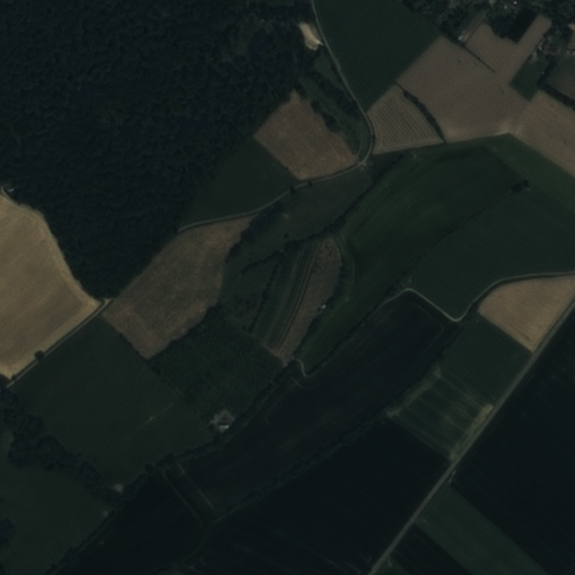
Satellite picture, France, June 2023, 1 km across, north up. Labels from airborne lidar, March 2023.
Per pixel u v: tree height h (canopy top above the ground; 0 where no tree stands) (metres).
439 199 0
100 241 23
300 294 0
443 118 0
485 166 0
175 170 27
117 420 0
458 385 0
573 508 0
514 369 0
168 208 22
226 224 0
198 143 26
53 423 0
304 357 0
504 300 0
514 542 0
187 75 24
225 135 24
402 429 0
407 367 0
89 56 31
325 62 0
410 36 0
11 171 24
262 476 0
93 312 0
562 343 0
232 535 0
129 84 27
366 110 0
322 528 0
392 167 7
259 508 0
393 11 0
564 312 0
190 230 0
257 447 0
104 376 0
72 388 0
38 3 27
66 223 23
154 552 0
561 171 0
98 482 27
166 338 0
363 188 0
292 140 0
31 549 0
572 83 0
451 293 0
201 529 0
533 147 0
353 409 0
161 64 29
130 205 25
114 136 27
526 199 0
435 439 0
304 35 22
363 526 0
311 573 0
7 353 0
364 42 0
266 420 0
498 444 0
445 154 0
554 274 0
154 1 28
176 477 0
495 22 22
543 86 8
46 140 28
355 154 0
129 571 0
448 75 0
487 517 0
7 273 0
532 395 0
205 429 0
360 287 0
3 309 0
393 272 0
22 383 0
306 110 0
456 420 0
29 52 33
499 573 0
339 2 0
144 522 0
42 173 21
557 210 0
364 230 0
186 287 0
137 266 22
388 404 10
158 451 0
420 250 0
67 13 29
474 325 0
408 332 0
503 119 0
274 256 7
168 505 0
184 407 0
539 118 0
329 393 0
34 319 0
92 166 23
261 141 0
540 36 0
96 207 21
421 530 0
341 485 0
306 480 0
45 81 29
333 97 14
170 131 27
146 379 0
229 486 0
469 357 0
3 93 29
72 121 27
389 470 0
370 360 0
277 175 0
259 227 21
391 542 0
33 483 0
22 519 0
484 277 0
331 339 0
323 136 0
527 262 0
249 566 0
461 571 0
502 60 0
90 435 0
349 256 0
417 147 0
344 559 0
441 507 0
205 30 36
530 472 0
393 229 0
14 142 21
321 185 0
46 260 0
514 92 0
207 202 0
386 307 0
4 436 0
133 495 13
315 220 0
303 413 0
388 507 0
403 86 0
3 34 28
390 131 0
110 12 32
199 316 0
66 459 31
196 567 0
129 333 0
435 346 0
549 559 0
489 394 0
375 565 0
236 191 0
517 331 0
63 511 0
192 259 0
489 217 0
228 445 0
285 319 0
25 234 0
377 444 0
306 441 0
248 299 0
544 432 0
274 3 0
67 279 0
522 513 0
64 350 0
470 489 0
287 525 0
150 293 0
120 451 0
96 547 0
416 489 0
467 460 0
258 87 29
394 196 0
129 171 20
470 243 0
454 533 0
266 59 33
